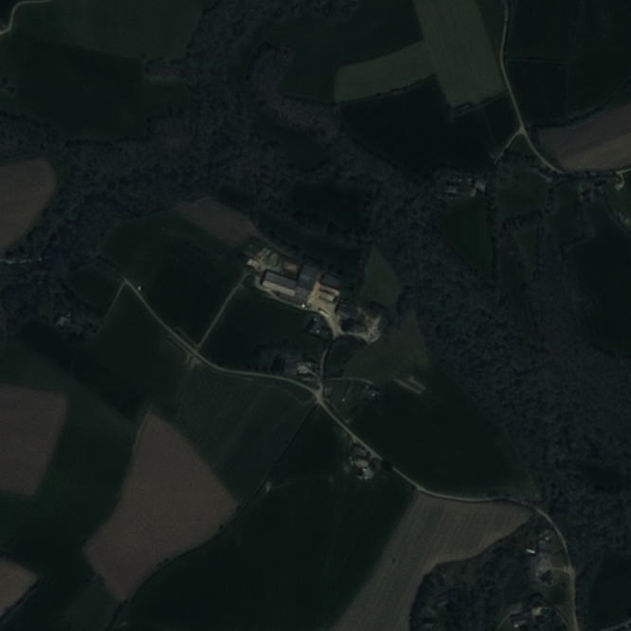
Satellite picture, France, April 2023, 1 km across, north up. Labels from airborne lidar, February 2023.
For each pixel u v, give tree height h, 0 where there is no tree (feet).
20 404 0
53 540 0
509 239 40
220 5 29
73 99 0
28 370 0
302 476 0
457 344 77
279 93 24
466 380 64
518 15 0
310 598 0
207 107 60
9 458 0
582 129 0
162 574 0
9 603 0
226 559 0
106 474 0
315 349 0
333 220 0
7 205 0
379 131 0
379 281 0
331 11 44
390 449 0
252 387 0
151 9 0
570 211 0
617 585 0
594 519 95
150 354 0
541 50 0
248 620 0
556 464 79
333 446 0
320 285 0
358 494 0
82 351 0
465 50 0
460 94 0
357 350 31
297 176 27
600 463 56
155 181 73
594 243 0
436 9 0
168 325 0
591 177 38
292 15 26
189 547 0
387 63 0
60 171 0
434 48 0
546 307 48
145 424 0
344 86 0
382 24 0
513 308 33
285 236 0
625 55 0
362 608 0
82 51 0
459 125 0
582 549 37
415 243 49
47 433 0
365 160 49
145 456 0
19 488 0
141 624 0
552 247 44
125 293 0
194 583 0
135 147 36
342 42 0
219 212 0
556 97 0
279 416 0
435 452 0
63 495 0
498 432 0
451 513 0
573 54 0
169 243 0
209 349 0
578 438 37
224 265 0
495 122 0
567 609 0
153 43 0
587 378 56
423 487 0
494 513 0
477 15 0
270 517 0
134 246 0
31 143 57
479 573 30
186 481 0
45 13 0
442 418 0
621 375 50
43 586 0
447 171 49
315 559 0
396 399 0
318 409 0
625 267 0
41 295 79
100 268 39
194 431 0
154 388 0
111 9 0
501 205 0
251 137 80
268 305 0
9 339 0
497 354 36
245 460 0
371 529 0
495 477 0
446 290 38
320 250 0
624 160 0
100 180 21
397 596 0
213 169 72
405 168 0
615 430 52
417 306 44
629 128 0
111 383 0
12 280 23
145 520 0
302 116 24
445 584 29
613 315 0
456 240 0
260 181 50
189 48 40
